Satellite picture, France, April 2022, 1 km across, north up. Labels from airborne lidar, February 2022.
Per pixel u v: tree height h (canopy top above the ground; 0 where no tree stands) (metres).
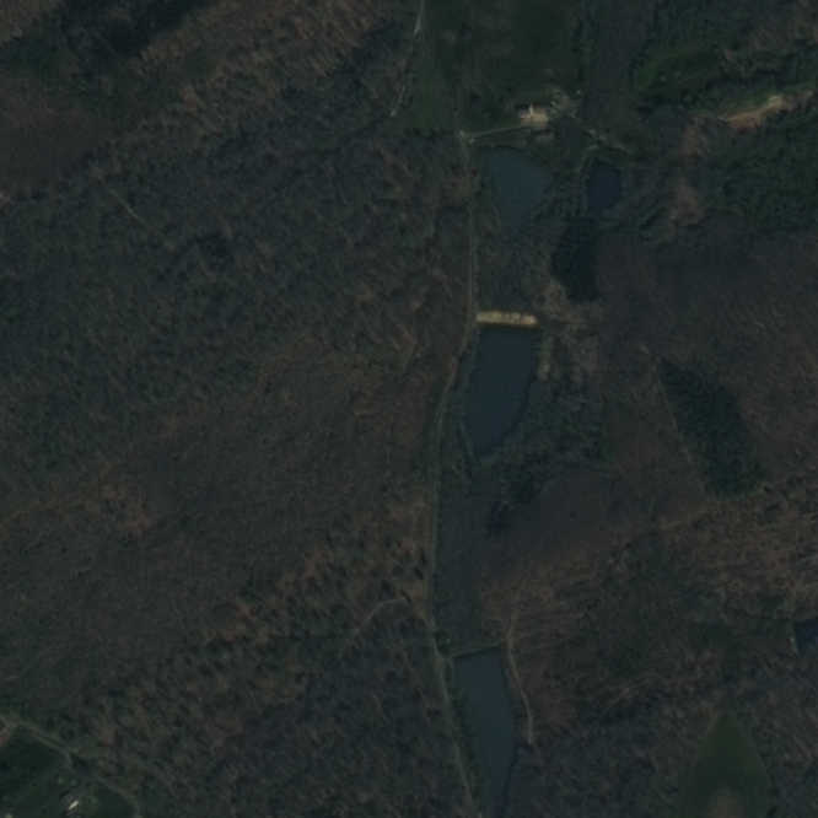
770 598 9
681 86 0
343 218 29
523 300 13
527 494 23
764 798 0
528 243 14
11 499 28
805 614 13
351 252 26
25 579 0
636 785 27
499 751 0
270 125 22
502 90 0
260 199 24
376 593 0
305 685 24
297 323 18
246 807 27
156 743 0
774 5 30
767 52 25
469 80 0
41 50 16
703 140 0
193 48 14
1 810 0
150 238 23
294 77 22
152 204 30
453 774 17
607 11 19
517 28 0
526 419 19
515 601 0
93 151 11
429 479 22
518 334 0
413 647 30
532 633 0
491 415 0
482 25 0
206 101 25
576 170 16
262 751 12
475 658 0
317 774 29
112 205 29
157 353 29
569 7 0
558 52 0
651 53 19
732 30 30
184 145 27
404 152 27
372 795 30
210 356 22
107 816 0
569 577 0
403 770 28
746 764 0
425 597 0
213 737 0
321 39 28
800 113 32
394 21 26
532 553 0
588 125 12
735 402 12
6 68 24
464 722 12
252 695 26
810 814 30
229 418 0
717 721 0
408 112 16
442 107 0
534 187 0
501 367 0
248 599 18
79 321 29
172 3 22
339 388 0
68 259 29
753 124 33
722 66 20
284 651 29
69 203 27
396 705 30
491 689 0
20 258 27
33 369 27
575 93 0
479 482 17
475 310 0
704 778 0
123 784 22
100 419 28
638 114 0
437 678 24
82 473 27
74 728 30
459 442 15
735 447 14
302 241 28
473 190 0
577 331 0
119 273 31
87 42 25
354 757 28
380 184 29
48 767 0
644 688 0
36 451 27
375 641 0
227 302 23
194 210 30
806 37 8
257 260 29
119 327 25
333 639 29
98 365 29
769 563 0
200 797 27
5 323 28
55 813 0
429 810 13
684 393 8
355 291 28
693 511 0
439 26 0
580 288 22
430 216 29
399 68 13
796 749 29
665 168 0
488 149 0
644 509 14
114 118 12
